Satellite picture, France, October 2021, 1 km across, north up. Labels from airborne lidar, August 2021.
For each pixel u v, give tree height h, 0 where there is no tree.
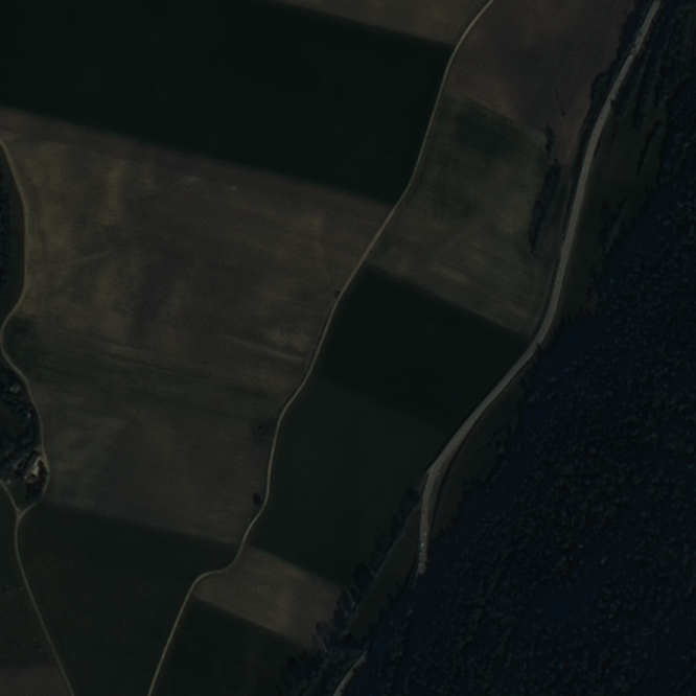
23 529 0
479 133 0
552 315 0
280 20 0
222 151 0
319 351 0
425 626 23
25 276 0
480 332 0
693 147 19
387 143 0
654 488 16
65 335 0
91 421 0
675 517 22
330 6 0
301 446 0
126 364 0
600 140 0
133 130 0
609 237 18
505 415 0
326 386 0
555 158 0
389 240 0
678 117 22
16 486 0
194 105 0
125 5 0
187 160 0
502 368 0
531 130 0
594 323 0
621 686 14
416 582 0
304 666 0
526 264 0
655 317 17
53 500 0
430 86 0
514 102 0
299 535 0
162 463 0
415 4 0
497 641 14
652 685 17
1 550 0
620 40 0
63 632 0
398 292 0
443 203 0
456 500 0
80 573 0
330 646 19
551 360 0
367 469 0
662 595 17
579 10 0
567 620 32
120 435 0
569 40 0
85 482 0
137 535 0
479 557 27
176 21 0
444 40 0
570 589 16
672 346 16
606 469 8
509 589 14
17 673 0
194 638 0
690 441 7
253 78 0
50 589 0
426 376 0
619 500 11
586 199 0
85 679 0
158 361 0
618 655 19
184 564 0
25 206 0
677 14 17
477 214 0
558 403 27
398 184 0
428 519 0
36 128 0
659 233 13
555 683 16
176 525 0
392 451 0
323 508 0
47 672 0
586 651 28
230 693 0
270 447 0
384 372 0
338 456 0
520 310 0
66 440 0
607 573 16
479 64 0
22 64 0
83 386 0
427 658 28
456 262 0
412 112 0
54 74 0
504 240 0
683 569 17
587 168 0
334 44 0
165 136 0
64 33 0
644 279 22
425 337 0
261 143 0
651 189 0
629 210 0
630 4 0
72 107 0
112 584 0
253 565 0
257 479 0
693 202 20
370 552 0
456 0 0
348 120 0
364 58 0
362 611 0
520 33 0
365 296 0
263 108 0
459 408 0
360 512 0
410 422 0
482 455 0
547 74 0
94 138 0
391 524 0
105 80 0
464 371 0
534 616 10
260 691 0
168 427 0
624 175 0
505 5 0
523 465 13
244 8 0
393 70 0
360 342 0
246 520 0
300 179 0
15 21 0
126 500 0
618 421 16
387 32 0
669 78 17
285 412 0
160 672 0
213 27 0
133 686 0
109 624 0
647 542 27
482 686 21
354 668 0
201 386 0
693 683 13
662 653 12
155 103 0
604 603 33
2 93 0
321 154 0
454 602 30
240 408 0
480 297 0
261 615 0
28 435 7
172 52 0
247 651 0
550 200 15
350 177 0
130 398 0
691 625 13
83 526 0
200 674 0
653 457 9
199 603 0
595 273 0
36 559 0
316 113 0
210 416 0
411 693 16
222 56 0
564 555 20
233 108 0
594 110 0
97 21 0
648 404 9
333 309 0
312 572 0
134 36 0
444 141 0
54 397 0
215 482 0
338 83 0
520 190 0
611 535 15
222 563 0
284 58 0
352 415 0
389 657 17
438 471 0
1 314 0
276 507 0
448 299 0
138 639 0
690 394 16
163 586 0
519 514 27
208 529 0
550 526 9
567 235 0
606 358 20
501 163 0
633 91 10
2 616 0
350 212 0
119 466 0
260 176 0
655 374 18
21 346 0
